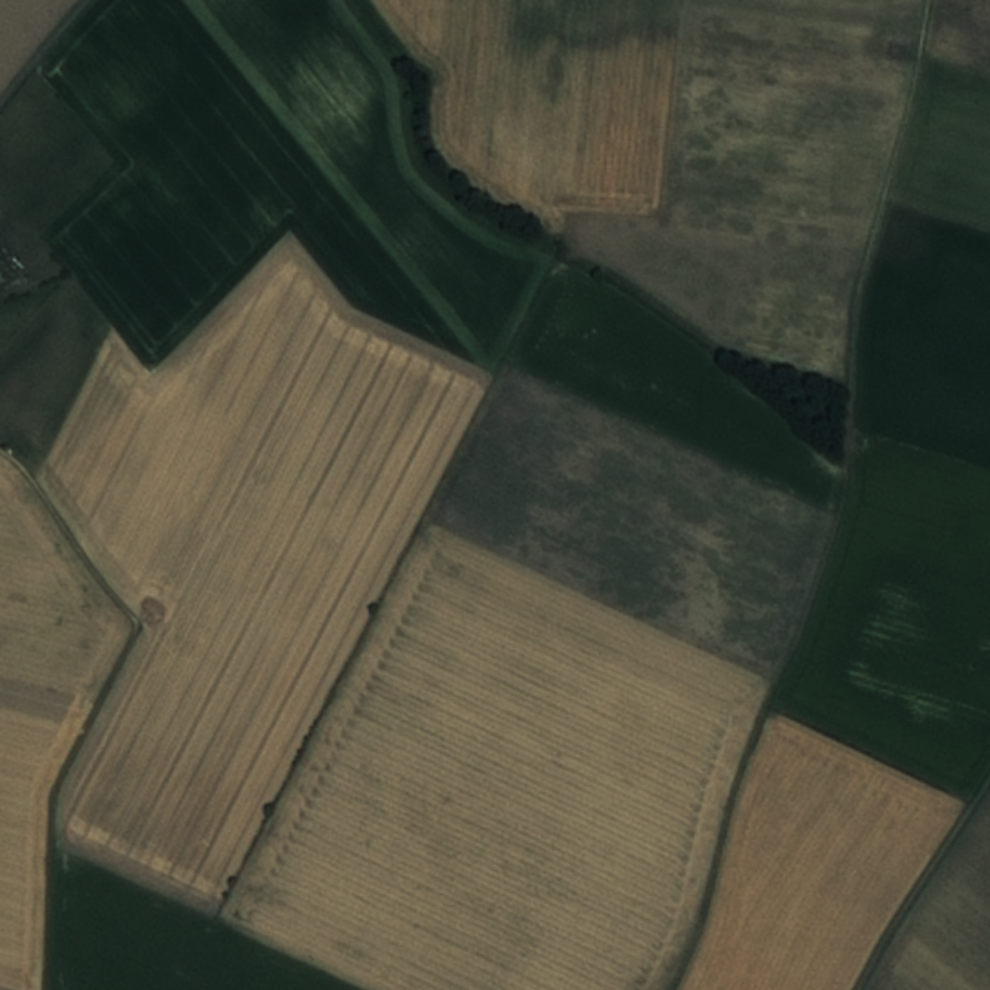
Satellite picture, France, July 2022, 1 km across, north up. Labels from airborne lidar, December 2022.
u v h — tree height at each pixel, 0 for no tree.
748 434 0
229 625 0
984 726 0
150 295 0
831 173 0
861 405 0
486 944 0
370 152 0
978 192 0
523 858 0
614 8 0
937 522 0
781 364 0
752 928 0
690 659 0
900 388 0
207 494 0
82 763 0
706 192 0
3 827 0
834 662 0
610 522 0
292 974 0
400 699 0
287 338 0
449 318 0
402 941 0
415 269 0
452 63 0
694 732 0
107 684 0
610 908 0
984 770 0
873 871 0
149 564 0
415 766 0
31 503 0
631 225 0
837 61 0
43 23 0
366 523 0
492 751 0
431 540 0
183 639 0
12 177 0
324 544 0
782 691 0
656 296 0
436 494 0
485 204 16
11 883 0
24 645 0
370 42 0
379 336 0
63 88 0
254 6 0
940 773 0
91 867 0
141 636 0
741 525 0
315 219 0
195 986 0
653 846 0
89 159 0
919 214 0
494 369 0
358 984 0
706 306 0
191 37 0
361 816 0
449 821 0
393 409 0
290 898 0
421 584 0
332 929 0
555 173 0
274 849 0
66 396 0
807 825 0
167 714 0
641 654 0
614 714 0
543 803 0
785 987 0
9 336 0
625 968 0
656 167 0
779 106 0
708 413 0
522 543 0
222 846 0
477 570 0
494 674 0
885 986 0
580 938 0
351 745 0
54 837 0
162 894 0
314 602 0
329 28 0
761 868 0
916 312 0
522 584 0
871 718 0
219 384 0
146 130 0
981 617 0
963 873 0
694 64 0
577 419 0
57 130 0
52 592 0
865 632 0
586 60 0
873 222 0
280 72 0
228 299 0
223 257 0
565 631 0
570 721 0
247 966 0
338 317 0
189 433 0
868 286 0
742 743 0
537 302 0
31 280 0
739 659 0
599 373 0
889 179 0
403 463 0
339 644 0
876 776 0
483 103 0
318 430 0
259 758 0
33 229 0
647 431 0
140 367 0
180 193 0
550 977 0
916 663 0
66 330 0
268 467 0
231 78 0
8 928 0
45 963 0
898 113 0
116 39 0
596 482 0
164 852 0
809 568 0
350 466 0
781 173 0
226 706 0
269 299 0
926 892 0
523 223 25
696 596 0
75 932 0
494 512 0
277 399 0
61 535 0
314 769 0
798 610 0
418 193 0
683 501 0
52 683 0
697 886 0
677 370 0
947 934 0
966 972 0
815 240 0
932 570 0
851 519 0
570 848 0
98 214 0
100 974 0
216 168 0
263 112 0
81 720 0
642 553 0
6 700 0
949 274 0
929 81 0
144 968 0
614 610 0
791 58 0
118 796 0
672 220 0
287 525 0
